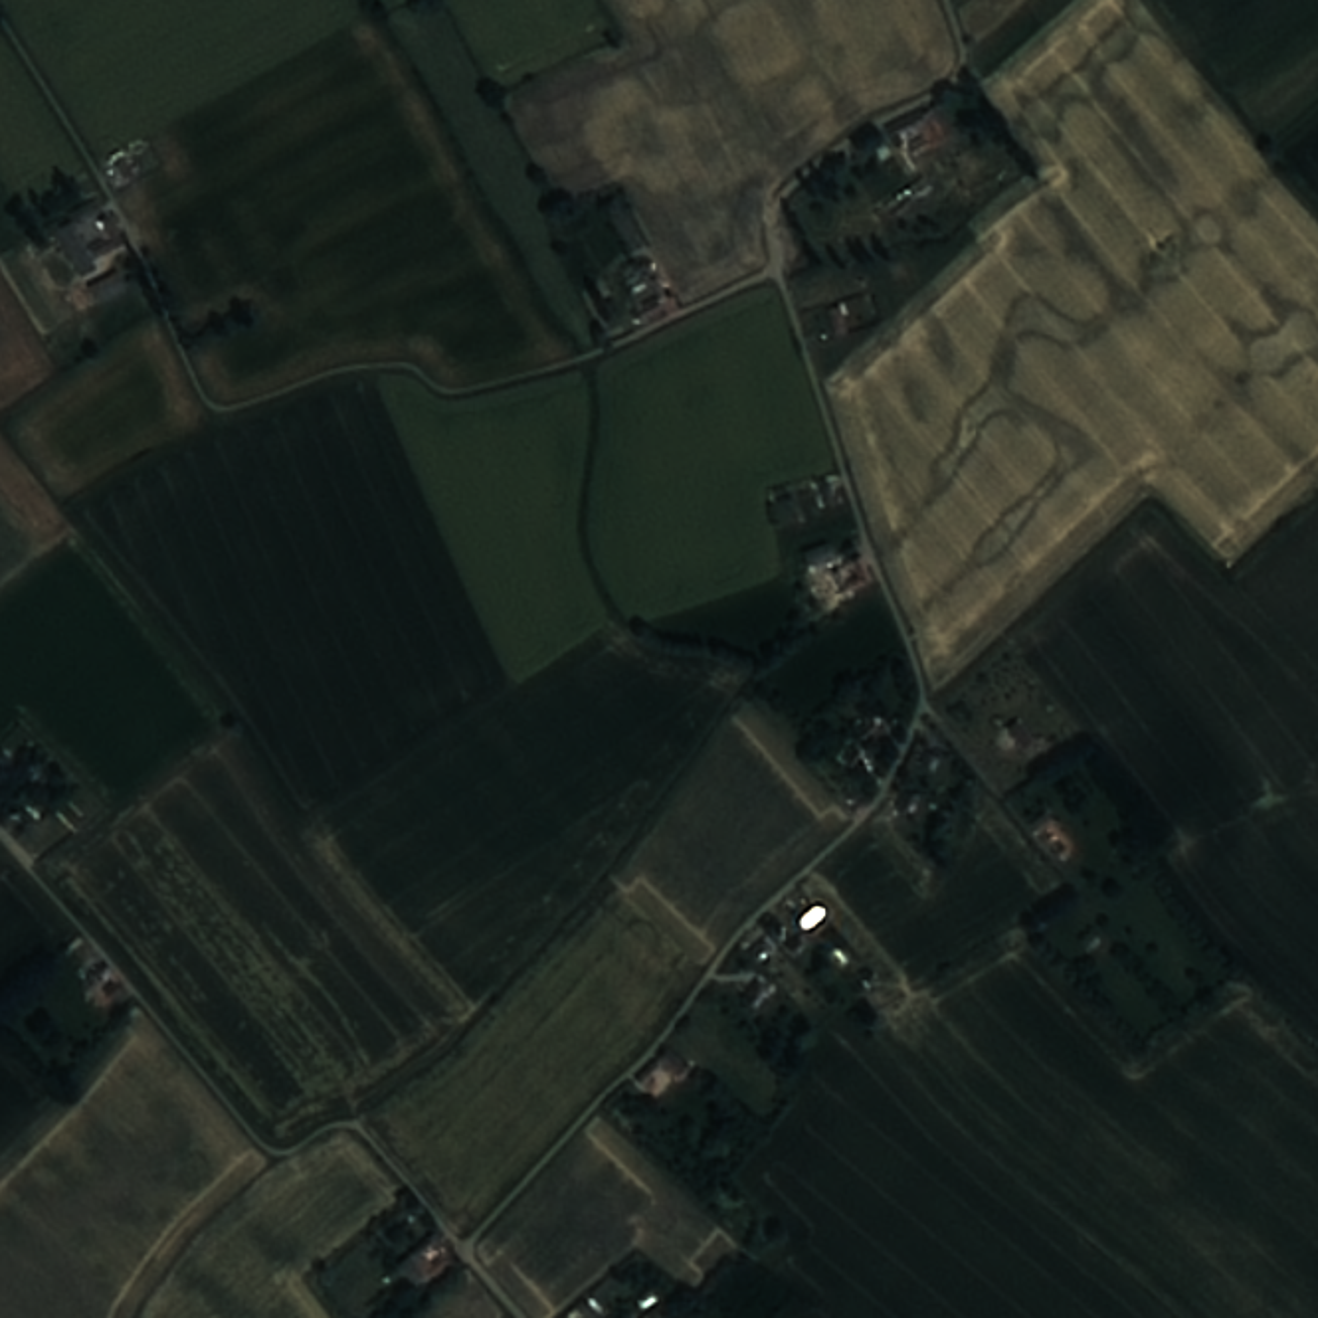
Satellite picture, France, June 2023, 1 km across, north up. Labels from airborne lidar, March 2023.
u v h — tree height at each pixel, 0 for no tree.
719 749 0
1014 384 0
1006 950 0
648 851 0
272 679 0
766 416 0
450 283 0
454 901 0
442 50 0
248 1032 0
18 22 0
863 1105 0
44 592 0
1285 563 0
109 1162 0
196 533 0
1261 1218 0
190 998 0
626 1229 0
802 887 0
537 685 0
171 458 0
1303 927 0
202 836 0
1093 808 0
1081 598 0
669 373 0
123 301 0
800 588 7
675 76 0
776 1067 16
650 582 0
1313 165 0
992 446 0
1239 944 0
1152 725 0
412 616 0
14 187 0
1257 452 0
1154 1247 0
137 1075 0
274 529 0
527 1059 0
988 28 0
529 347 0
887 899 0
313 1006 0
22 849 0
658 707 0
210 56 0
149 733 0
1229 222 0
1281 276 0
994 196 0
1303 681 0
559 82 0
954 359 0
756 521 0
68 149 0
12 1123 0
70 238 0
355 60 0
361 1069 0
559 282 0
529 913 0
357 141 0
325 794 0
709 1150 10
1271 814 0
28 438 0
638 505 0
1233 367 0
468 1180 0
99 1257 0
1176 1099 0
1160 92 0
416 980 0
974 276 0
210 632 0
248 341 0
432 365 0
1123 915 0
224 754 0
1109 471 0
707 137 0
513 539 0
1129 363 0
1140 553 0
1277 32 0
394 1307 10
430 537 0
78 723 0
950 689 0
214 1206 0
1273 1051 0
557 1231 0
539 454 0
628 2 0
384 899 0
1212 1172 0
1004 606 0
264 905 0
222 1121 0
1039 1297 0
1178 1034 0
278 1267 0
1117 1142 0
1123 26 0
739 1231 0
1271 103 0
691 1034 0
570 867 0
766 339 0
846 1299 0
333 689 0
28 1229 0
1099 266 0
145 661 0
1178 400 0
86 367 0
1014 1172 0
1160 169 0
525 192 0
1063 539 0
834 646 0
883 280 0
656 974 0
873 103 0
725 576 0
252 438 0
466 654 0
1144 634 0
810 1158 0
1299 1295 0
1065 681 0
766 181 0
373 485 0
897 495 0
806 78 0
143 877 0
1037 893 0
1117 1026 15
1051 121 0
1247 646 0
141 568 0
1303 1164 0
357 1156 0
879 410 0
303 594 0
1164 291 0
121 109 0
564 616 0
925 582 0
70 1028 0
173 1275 0
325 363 0
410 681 0
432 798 0
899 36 0
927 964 0
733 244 0
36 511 0
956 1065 0
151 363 0
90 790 0
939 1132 0
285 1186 0
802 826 0
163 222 0
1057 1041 0
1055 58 0
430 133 0
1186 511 0
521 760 0
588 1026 0
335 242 0
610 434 0
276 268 0
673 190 0
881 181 0
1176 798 0
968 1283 0
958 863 0
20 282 0
